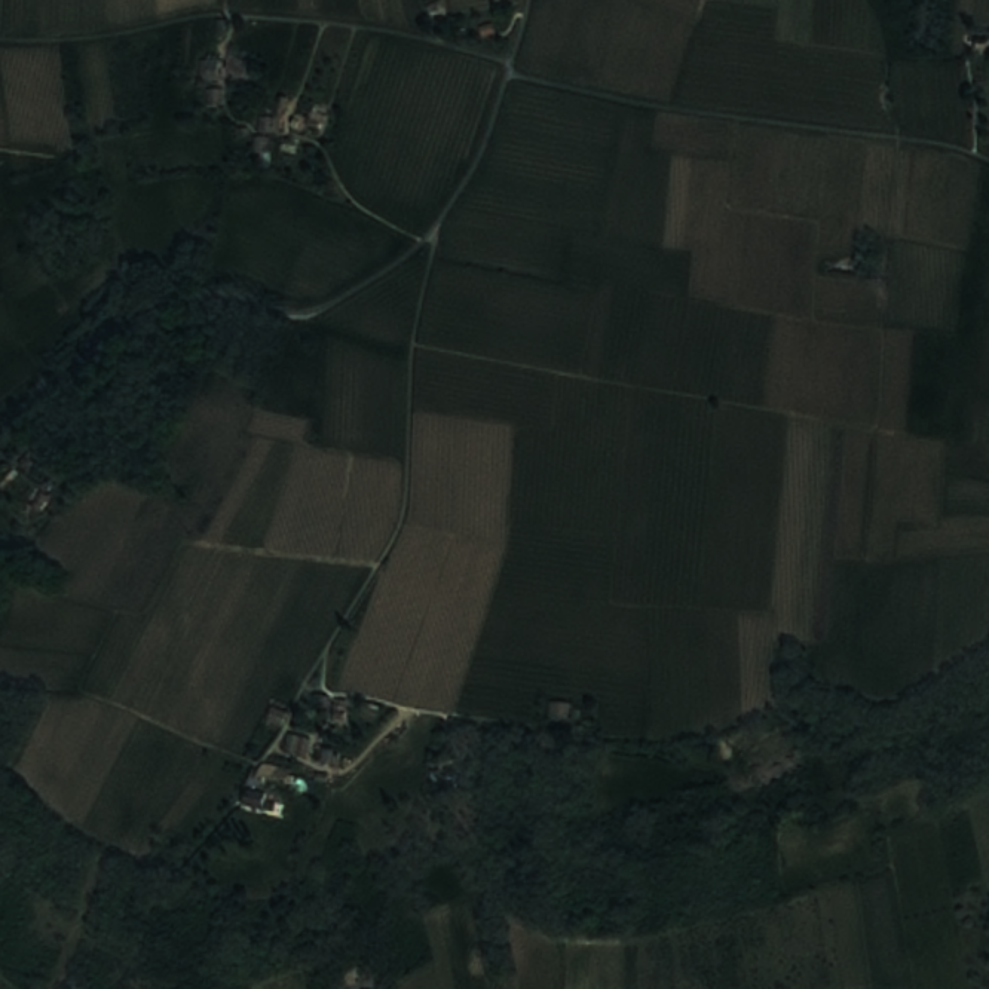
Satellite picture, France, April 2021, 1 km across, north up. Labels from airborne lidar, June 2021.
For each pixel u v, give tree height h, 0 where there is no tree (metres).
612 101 0
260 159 10
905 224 0
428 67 0
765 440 0
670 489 0
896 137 0
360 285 0
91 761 0
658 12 0
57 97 0
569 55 0
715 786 6
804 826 16
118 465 21
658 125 0
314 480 0
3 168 0
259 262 0
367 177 0
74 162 13
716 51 0
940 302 0
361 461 0
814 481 0
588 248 0
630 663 0
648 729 0
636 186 0
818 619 0
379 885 18
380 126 0
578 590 0
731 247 0
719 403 7
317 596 0
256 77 14
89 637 0
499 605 0
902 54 0
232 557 0
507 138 0
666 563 0
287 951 19
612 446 0
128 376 23
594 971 0
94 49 0
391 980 13
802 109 0
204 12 0
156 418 25
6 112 0
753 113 0
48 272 14
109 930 19
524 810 19
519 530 0
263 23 0
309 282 0
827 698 25
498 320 0
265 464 0
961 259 0
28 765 0
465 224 0
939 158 0
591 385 0
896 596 0
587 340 0
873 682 0
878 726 23
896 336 0
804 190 0
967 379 0
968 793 18
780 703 16
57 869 14
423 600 0
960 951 0
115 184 0
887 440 0
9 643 0
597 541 0
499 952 23
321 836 0
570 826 11
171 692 0
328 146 8
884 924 0
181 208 0
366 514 0
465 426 0
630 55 0
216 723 0
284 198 0
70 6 0
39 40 0
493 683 0
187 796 0
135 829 0
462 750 20
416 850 22
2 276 0
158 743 0
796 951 0
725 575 0
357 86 0
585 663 0
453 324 0
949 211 0
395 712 9
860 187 0
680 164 0
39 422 21
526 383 0
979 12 0
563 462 0
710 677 0
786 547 0
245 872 0
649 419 0
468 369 0
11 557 16
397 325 0
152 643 0
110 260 19
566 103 0
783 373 0
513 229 0
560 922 22
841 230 0
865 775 24
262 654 0
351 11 0
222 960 19
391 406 0
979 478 0
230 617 0
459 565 0
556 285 0
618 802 0
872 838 0
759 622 0
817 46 0
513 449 0
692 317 0
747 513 0
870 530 0
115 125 12
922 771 19
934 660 0
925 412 0
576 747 17
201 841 10
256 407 11
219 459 0
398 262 0
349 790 0
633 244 0
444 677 0
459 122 0
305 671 0
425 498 0
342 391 0
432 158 0
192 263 20
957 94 0
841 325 0
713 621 0
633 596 0
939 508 0
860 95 0
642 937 8
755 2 0
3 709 20
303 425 0
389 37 0
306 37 0
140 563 0
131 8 0
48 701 19
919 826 0
